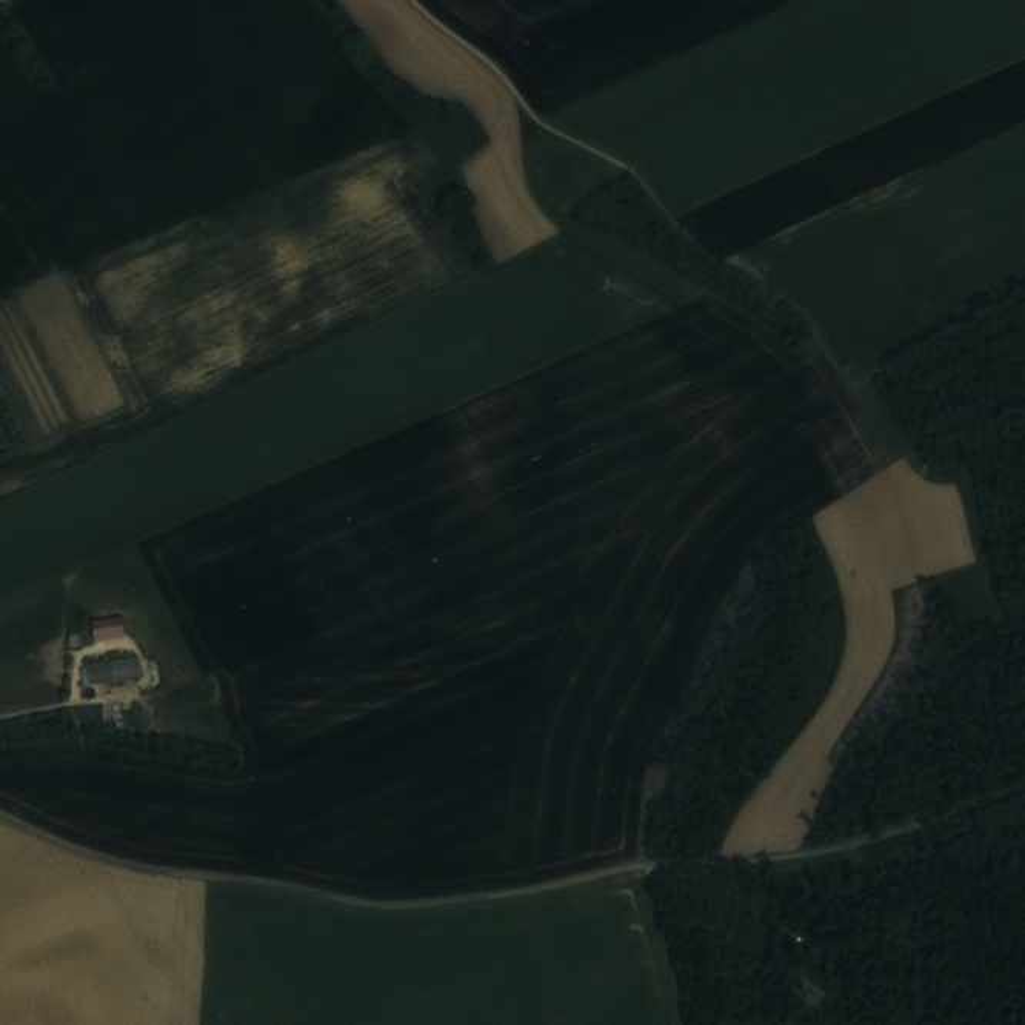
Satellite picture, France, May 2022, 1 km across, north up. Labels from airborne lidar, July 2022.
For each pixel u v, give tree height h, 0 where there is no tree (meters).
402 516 0
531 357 0
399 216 0
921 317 0
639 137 0
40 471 0
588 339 0
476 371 0
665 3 0
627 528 0
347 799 0
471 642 0
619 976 0
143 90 0
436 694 0
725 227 0
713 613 0
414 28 0
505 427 0
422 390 0
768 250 0
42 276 0
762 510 0
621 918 0
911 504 0
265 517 0
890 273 0
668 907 22
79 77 0
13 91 0
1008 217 0
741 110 0
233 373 0
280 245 0
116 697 0
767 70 0
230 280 0
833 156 0
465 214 15
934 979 28
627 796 0
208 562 0
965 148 0
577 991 0
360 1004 0
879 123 0
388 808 0
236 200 0
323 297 0
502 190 0
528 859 0
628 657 0
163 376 0
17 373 0
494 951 0
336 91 0
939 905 30
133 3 0
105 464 0
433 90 0
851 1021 21
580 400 0
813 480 0
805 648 26
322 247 0
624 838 0
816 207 0
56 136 0
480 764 0
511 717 0
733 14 0
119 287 0
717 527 0
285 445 0
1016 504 26
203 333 0
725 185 0
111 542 0
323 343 0
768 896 27
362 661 0
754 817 0
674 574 0
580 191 0
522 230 0
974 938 26
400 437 0
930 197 0
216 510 0
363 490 0
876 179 0
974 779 25
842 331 0
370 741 0
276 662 0
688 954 23
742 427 0
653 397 0
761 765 27
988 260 0
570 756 0
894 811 10
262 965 0
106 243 0
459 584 0
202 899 0
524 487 0
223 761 18
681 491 0
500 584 0
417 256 0
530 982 0
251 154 0
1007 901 28
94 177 0
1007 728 23
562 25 0
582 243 0
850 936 29
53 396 0
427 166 0
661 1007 0
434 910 0
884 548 0
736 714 28
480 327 0
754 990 26
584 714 0
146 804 0
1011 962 27
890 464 0
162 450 0
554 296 0
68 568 0
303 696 0
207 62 0
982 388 9
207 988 0
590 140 0
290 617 0
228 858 0
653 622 0
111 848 0
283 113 0
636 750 0
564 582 0
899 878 11
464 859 0
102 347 0
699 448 0
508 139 0
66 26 0
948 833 21
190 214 0
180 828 0
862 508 0
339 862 0
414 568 0
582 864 0
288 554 0
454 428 0
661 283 0
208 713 0
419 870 0
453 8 0
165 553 0
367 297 0
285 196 0
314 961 0
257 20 0
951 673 24
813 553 23
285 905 0
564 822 0
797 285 0
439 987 0
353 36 17
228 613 0
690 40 0
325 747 0
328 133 0
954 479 0
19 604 0
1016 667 18
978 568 0
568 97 0
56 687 0
